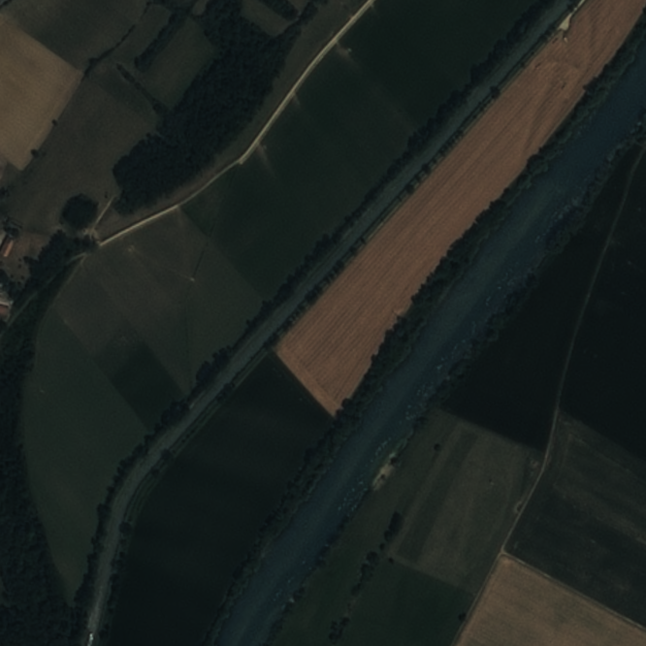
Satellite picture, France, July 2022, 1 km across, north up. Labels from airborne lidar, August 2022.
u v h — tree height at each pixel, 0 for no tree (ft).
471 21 0
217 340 0
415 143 65
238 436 0
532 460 0
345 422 83
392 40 0
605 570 0
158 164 79
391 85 0
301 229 0
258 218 0
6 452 73
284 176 0
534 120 0
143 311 0
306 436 0
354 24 0
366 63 0
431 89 0
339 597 0
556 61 0
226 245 0
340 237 49
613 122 0
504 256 0
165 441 0
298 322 0
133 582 0
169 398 0
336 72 0
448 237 0
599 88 71
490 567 0
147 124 0
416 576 0
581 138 0
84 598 70
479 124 0
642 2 0
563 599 0
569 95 0
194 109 59
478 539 0
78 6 0
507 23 0
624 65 45
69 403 0
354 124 0
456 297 0
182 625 0
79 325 0
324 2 50
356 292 0
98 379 0
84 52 0
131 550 0
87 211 55
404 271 0
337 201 0
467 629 0
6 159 0
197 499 0
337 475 0
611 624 0
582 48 0
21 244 0
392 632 0
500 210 40
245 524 0
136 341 0
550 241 46
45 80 0
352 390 0
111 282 0
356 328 0
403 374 0
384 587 0
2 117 0
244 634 0
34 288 55
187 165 85
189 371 0
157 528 0
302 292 0
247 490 0
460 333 0
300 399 0
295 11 49
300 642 0
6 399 85
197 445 0
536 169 58
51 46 0
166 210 0
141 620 0
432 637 0
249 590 0
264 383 0
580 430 0
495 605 0
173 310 0
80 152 0
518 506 0
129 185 58
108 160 0
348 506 0
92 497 0
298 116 0
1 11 0
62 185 0
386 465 0
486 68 53
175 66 0
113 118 0
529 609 0
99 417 0
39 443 0
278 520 51
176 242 0
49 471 0
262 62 70
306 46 0
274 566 0
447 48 0
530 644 0
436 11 0
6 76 0
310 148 0
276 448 0
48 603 87
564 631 0
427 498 0
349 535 0
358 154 0
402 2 0
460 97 68
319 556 30
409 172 0
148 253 0
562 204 0
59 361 0
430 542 0
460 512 0
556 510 0
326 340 0
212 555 0
